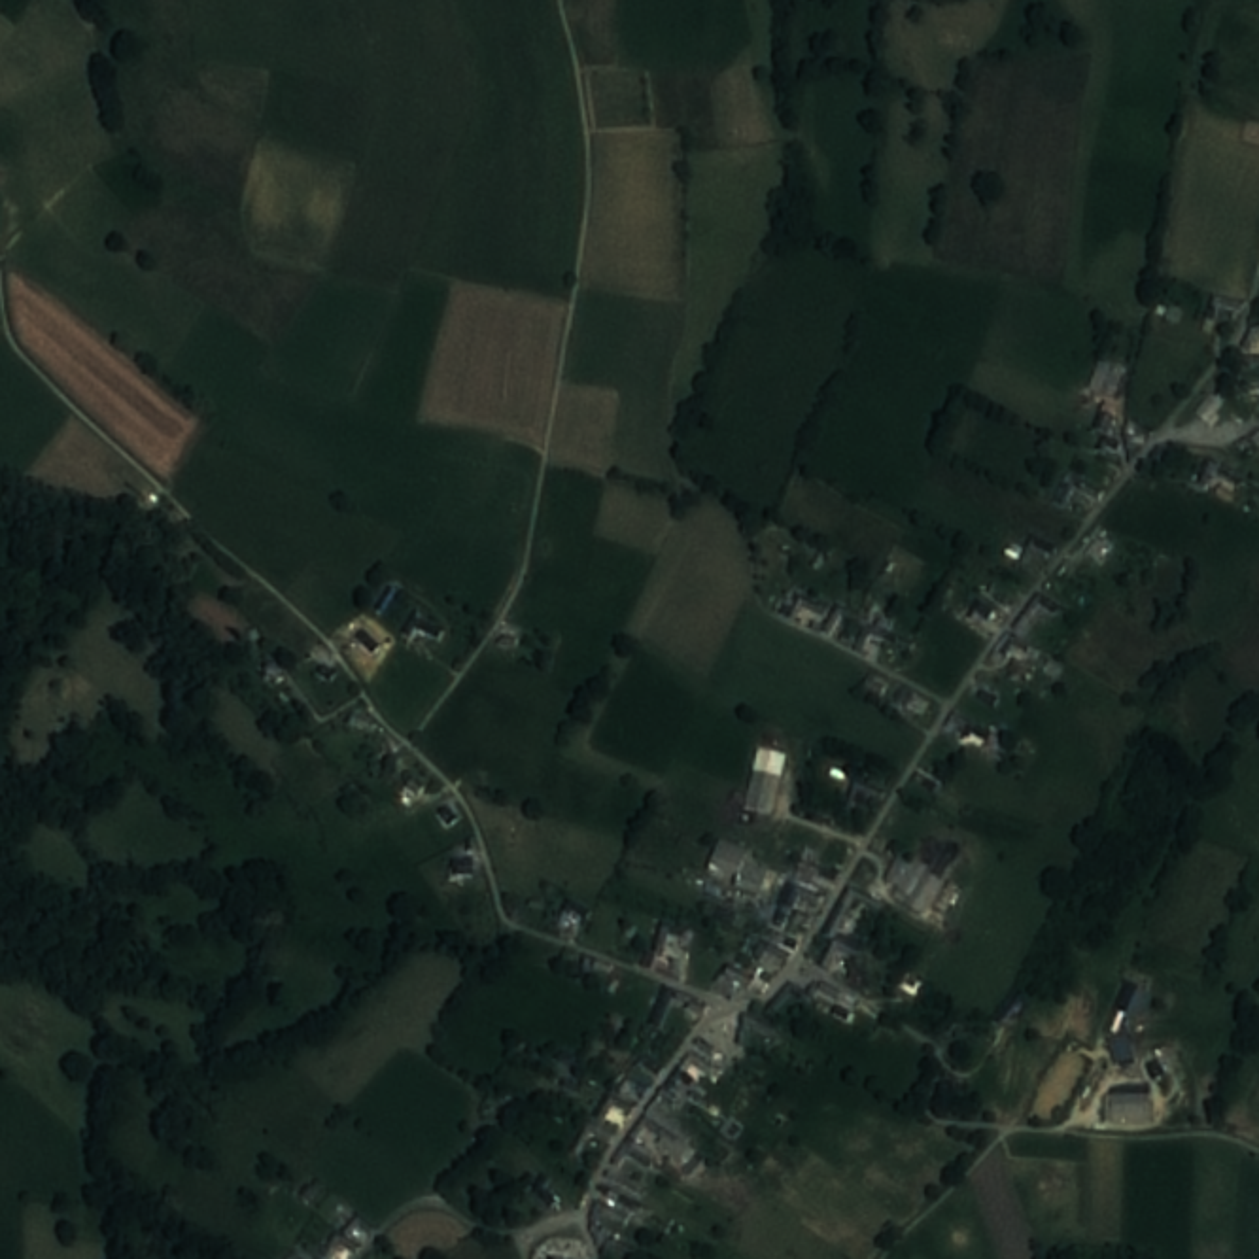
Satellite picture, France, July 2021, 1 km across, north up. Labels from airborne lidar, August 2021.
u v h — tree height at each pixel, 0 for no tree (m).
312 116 0
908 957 11
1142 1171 0
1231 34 0
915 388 0
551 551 0
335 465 0
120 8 0
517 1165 0
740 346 0
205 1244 25
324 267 0
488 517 0
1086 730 0
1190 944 0
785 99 7
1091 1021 0
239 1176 0
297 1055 10
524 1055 8
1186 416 0
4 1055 0
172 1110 19
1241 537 0
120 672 0
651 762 0
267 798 8
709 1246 6
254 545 0
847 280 0
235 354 0
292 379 0
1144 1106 0
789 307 0
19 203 0
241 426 0
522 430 0
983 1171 0
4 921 15
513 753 0
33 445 0
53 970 26
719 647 0
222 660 17
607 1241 0
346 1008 17
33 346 0
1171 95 0
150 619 16
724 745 0
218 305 0
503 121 0
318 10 0
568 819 0
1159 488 0
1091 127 0
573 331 0
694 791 0
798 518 0
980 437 0
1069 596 0
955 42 0
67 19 0
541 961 0
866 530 0
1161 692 10
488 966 11
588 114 0
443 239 0
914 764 0
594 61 0
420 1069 0
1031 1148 0
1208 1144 0
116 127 21
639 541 0
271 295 0
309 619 0
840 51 9
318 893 0
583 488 0
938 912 0
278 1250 0
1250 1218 0
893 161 0
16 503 20
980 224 0
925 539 0
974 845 0
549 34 0
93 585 23
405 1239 0
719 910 0
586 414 0
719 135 0
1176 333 0
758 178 0
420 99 0
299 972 0
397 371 0
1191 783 16
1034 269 0
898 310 0
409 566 0
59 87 0
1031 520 0
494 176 0
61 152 0
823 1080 0
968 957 0
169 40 0
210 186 0
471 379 0
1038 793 0
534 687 0
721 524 0
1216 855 0
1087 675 0
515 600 0
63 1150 0
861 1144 0
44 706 0
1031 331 0
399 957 15
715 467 0
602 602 0
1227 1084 7
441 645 0
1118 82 0
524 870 0
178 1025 0
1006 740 14
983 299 0
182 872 16
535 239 0
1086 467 8
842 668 0
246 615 0
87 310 0
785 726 0
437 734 0
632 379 0
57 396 0
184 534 15
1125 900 10
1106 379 0
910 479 0
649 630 0
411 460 0
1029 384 0
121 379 0
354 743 0
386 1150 0
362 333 0
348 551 0
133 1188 11
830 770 0
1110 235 0
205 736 9
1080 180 0
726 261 0
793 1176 0
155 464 0
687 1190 0
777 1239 0
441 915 0
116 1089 20
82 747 19
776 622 0
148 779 10
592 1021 0
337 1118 8
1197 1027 0
